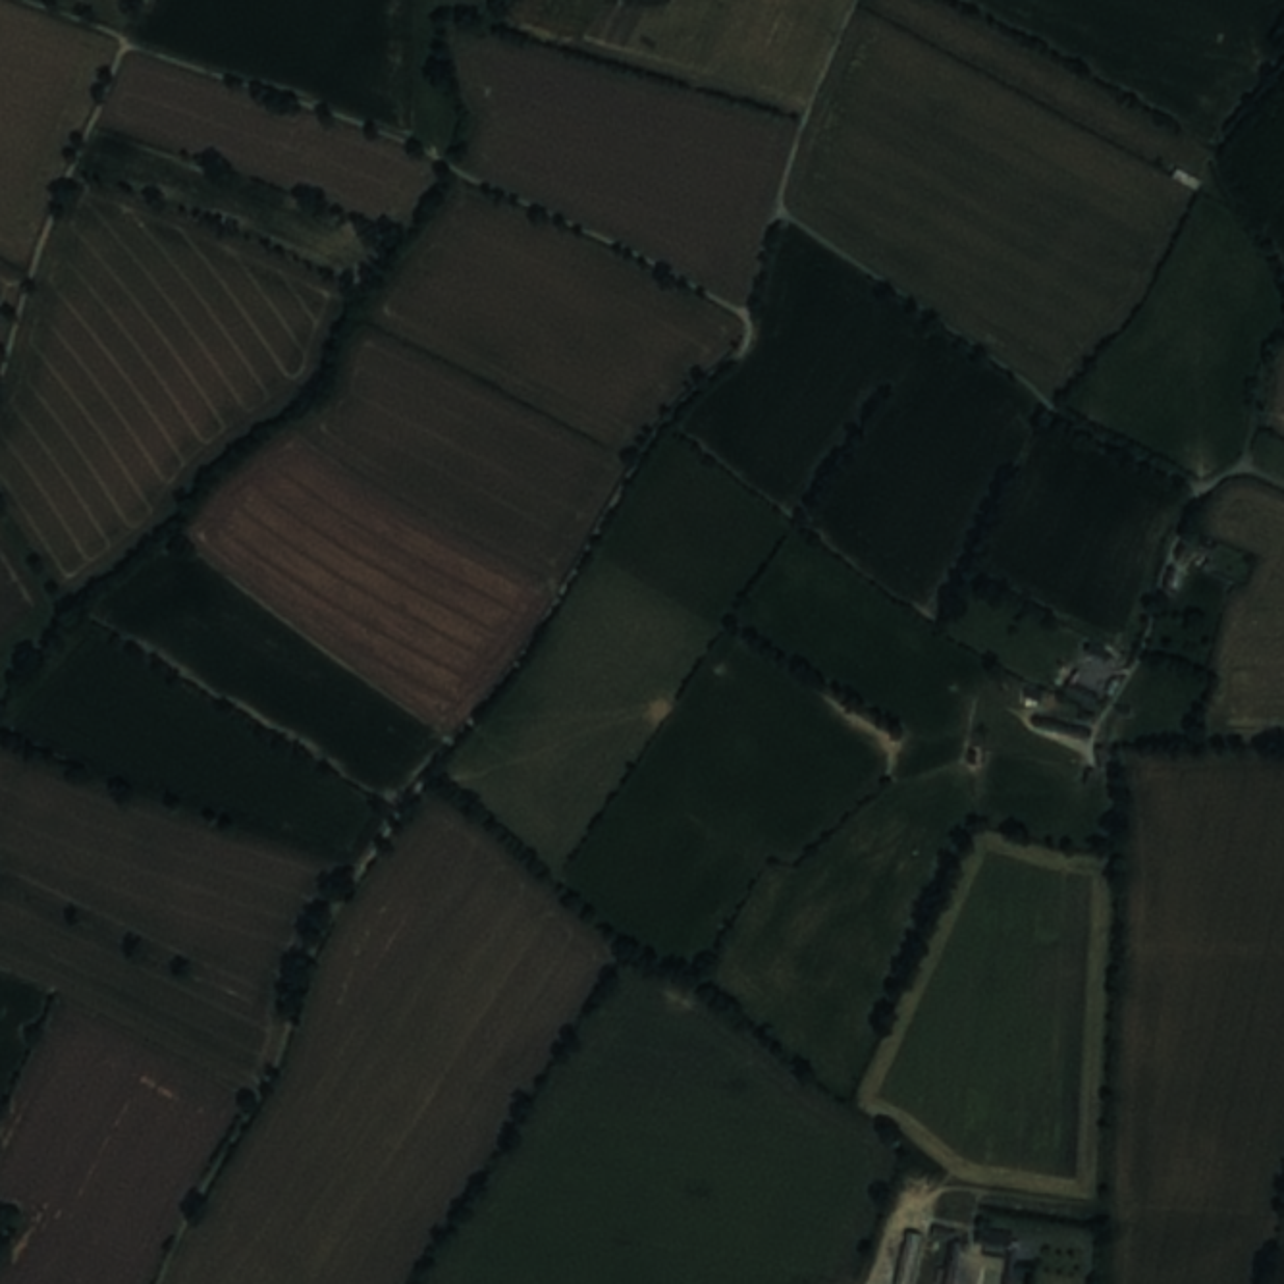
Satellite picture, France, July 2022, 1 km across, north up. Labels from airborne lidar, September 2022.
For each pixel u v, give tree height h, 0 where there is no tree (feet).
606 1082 0
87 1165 0
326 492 0
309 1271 0
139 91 0
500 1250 0
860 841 0
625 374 0
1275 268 38
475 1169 0
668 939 0
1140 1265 0
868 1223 0
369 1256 0
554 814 0
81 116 0
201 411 0
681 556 0
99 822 0
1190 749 37
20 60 0
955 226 0
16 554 0
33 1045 31
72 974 0
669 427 25
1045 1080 0
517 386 0
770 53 0
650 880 0
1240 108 22
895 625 0
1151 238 0
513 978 0
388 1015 0
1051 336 0
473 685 0
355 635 0
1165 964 0
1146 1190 0
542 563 0
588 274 0
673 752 0
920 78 0
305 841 0
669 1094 0
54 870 0
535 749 0
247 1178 0
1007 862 0
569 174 0
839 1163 0
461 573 0
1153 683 0
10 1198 0
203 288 0
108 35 0
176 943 0
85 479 0
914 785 0
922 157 0
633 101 0
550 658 0
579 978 0
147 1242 0
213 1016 0
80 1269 0
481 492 0
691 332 0
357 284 58
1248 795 0
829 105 0
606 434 0
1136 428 0
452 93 62
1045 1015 0
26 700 0
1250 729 0
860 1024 0
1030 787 0
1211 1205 0
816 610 0
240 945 0
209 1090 0
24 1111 0
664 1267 0
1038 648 0
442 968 0
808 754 0
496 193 31
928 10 0
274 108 53
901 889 0
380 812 68
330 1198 0
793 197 0
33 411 0
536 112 0
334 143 0
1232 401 0
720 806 0
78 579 0
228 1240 0
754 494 21
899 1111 0
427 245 0
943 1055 0
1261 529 0
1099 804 0
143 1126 0
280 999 46
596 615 0
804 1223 0
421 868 0
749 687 0
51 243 0
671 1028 0
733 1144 0
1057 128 0
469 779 0
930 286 0
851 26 0
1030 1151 0
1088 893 0
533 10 0
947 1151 0
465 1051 0
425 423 0
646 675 0
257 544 0
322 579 0
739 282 0
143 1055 0
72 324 0
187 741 0
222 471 29
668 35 0
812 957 0
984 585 58
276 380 0
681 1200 0
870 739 0
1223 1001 0
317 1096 0
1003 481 67
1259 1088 0
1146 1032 0
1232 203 21
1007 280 0
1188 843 0
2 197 0
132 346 0
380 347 0
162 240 0
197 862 0
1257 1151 0
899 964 41
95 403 0
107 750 0
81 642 0
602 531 28
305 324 0
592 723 0
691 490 0
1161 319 0
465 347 0
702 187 0
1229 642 0
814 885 0
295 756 59
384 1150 0
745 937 0
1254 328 0
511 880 0
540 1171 0
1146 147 0
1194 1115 0
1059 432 52
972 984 0
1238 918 0
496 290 0
